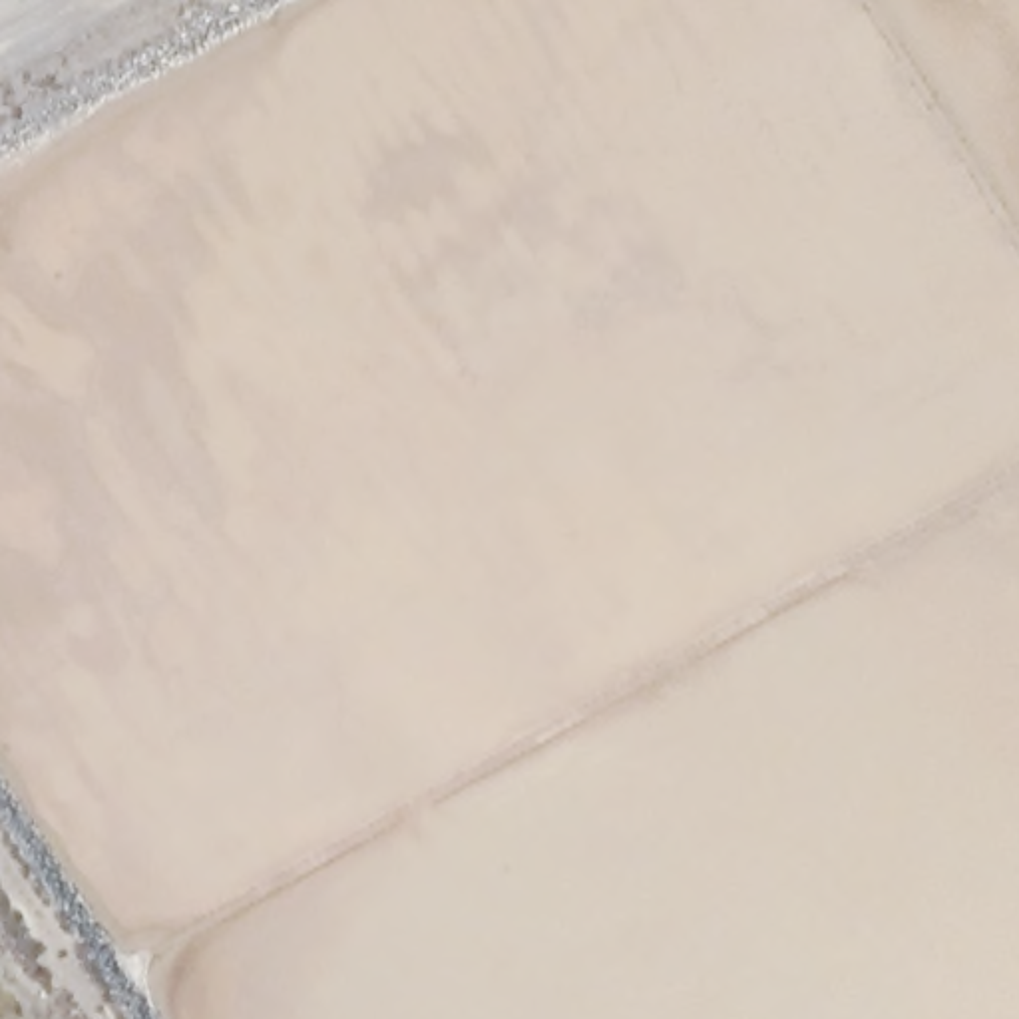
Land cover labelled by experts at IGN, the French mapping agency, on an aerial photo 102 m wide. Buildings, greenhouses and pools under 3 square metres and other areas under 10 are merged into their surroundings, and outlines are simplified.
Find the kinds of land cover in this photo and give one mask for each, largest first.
<instances>
[{"label":"water","instance_id":"1","mask_svg":"<svg viewBox=\"0 0 1019 1019\"><path fill-rule=\"evenodd\" d=\"M0 780L36 820V832L48 840L68 884L80 892L88 916L103 927V939L111 943L127 979L143 991L155 1019H1019V0H303L271 24L251 28L239 40L215 48L203 64L179 68L155 88H143L131 100L100 111L80 135L48 147L36 163L0 179Z\"/></svg>","mask_w":1019,"mask_h":1019},{"label":"pervious surface","instance_id":"2","mask_svg":"<svg viewBox=\"0 0 1019 1019\"><path fill-rule=\"evenodd\" d=\"M303 0H0V179L36 163L48 147L80 135L100 111L131 100L143 88H155L179 68L203 64L215 48L239 40L251 28L271 24ZM0 888L8 904L20 912L28 935L44 943V967L52 971V983L40 987L24 971L0 927V1019H115V1007L100 999V987L80 967V939L60 927L56 904H44L36 896V884L8 856L0 832Z\"/></svg>","mask_w":1019,"mask_h":1019},{"label":"brushwood","instance_id":"3","mask_svg":"<svg viewBox=\"0 0 1019 1019\"><path fill-rule=\"evenodd\" d=\"M0 832L8 856L36 884V896L44 904H56L60 927L80 939V967L100 987V999L115 1007V1019H155L143 991L127 979L111 943L103 939V927L88 916L80 892L68 884L48 840L36 832V820L0 780ZM0 927L24 971L40 987L52 983V971L44 967V943L28 935L20 912L8 904L0 888Z\"/></svg>","mask_w":1019,"mask_h":1019}]
</instances>
